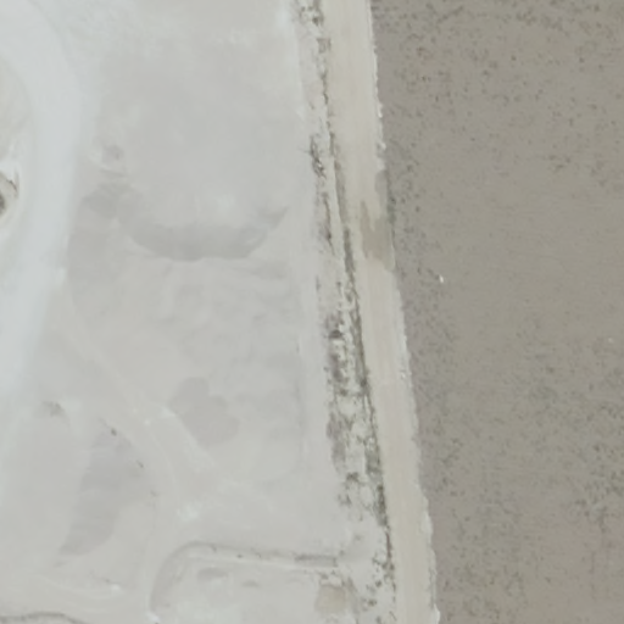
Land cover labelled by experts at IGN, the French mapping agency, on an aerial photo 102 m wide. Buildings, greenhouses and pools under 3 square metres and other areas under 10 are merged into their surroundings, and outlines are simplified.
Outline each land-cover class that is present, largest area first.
<instances>
[{"label":"pervious surface","instance_id":"1","mask_svg":"<svg viewBox=\"0 0 624 624\"><path fill-rule=\"evenodd\" d=\"M378 56L373 44L371 0H0V624H439L441 612L436 605V558L431 551V517L427 495L419 485V446L414 439L417 412L410 375V351L405 336L402 300L395 278V251L385 241V183L380 173L385 168V139L380 122L383 107L375 85ZM344 229H351L356 288L361 297L363 346L371 380V395L361 400L356 380L351 310L346 300L349 278L344 266ZM339 312H341V329H339V332H341V339H329V334L324 332V317H329V314H339ZM329 356H339L341 361V373L346 378V397L332 392ZM332 414H349L353 424L349 434L346 461H336L332 456V439L327 436V424ZM368 451H378L383 458V483L388 517L392 527V563L397 590L378 587L373 583L383 578V568L373 566V558L385 561V536L383 527L375 519V488L371 485V475L366 470Z\"/></svg>","mask_w":624,"mask_h":624},{"label":"agricultural land","instance_id":"2","mask_svg":"<svg viewBox=\"0 0 624 624\"><path fill-rule=\"evenodd\" d=\"M373 44L378 56L375 85L383 107L380 122L385 139V168L380 173L385 183V241L395 251V278L402 300L405 336L410 351V375L417 412L414 439L419 446V485L427 495L431 517V551L436 558V605L441 612L439 624H624V0H371Z\"/></svg>","mask_w":624,"mask_h":624},{"label":"herbaceous vegetation","instance_id":"3","mask_svg":"<svg viewBox=\"0 0 624 624\"><path fill-rule=\"evenodd\" d=\"M344 266L349 278L346 300L351 310L356 380L361 400L371 395V380L363 346L361 297L356 288L351 229H344ZM339 329H341V312H339V314H329V317H324V332L329 334V339H341V332H339ZM332 392L346 397V378L341 373V361L339 356H329ZM353 424L349 414H332L327 424V436L332 439V456L336 461H346L349 434ZM366 470L371 475V485L375 488V519L383 527L385 536V561L373 558V566L383 568V578L373 583L378 587L397 590L392 563V527L388 517L383 483V458L378 451H368Z\"/></svg>","mask_w":624,"mask_h":624}]
</instances>
